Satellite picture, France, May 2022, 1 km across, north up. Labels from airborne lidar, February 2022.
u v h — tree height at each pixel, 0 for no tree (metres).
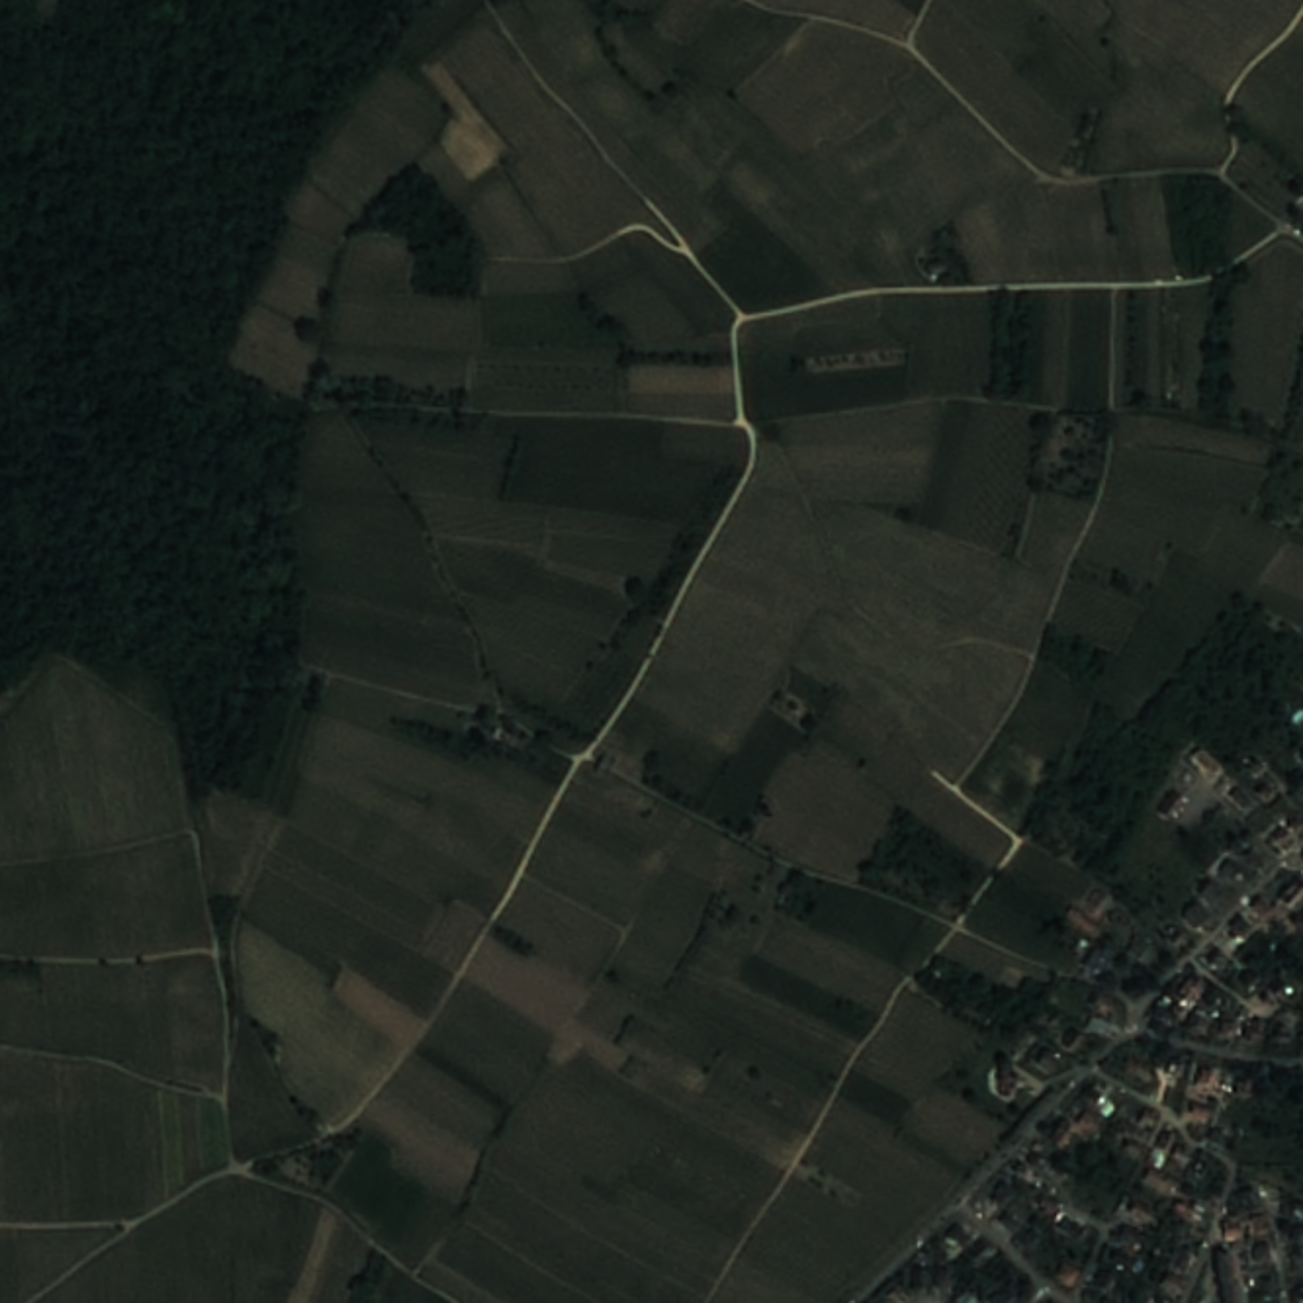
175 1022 0
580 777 0
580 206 0
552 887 0
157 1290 0
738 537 0
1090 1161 10
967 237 0
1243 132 10
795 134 0
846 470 0
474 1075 0
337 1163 7
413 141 0
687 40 0
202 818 0
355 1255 0
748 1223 0
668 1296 0
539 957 0
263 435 14
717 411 0
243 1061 0
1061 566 0
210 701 9
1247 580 0
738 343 0
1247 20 0
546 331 0
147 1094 0
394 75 0
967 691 0
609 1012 0
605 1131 0
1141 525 0
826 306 0
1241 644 7
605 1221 0
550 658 0
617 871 0
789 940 0
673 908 0
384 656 0
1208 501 0
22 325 17
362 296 0
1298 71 0
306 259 0
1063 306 0
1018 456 0
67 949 0
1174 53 0
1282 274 0
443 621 0
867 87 0
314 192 0
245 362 0
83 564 13
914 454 0
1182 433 0
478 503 0
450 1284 0
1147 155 0
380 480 0
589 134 0
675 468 0
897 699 0
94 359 20
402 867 0
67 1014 0
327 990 0
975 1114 0
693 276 0
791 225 0
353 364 0
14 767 0
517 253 0
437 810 0
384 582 0
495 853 0
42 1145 0
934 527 0
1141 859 0
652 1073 0
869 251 0
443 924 0
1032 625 0
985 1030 6
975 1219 0
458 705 0
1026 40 0
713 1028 0
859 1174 0
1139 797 6
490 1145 0
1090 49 0
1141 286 0
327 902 0
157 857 0
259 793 0
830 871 0
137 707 0
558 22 0
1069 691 0
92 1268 0
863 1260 0
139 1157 0
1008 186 0
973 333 0
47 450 21
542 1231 0
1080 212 0
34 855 0
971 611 0
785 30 0
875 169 0
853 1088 0
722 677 0
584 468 0
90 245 17
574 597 0
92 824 0
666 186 0
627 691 0
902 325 0
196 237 16
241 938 0
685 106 0
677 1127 0
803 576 0
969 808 0
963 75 0
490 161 0
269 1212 0
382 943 0
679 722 0
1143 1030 0
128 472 12
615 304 0
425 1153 0
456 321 0
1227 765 6
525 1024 0
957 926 0
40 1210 0
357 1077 0
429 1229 0
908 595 0
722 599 0
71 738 0
